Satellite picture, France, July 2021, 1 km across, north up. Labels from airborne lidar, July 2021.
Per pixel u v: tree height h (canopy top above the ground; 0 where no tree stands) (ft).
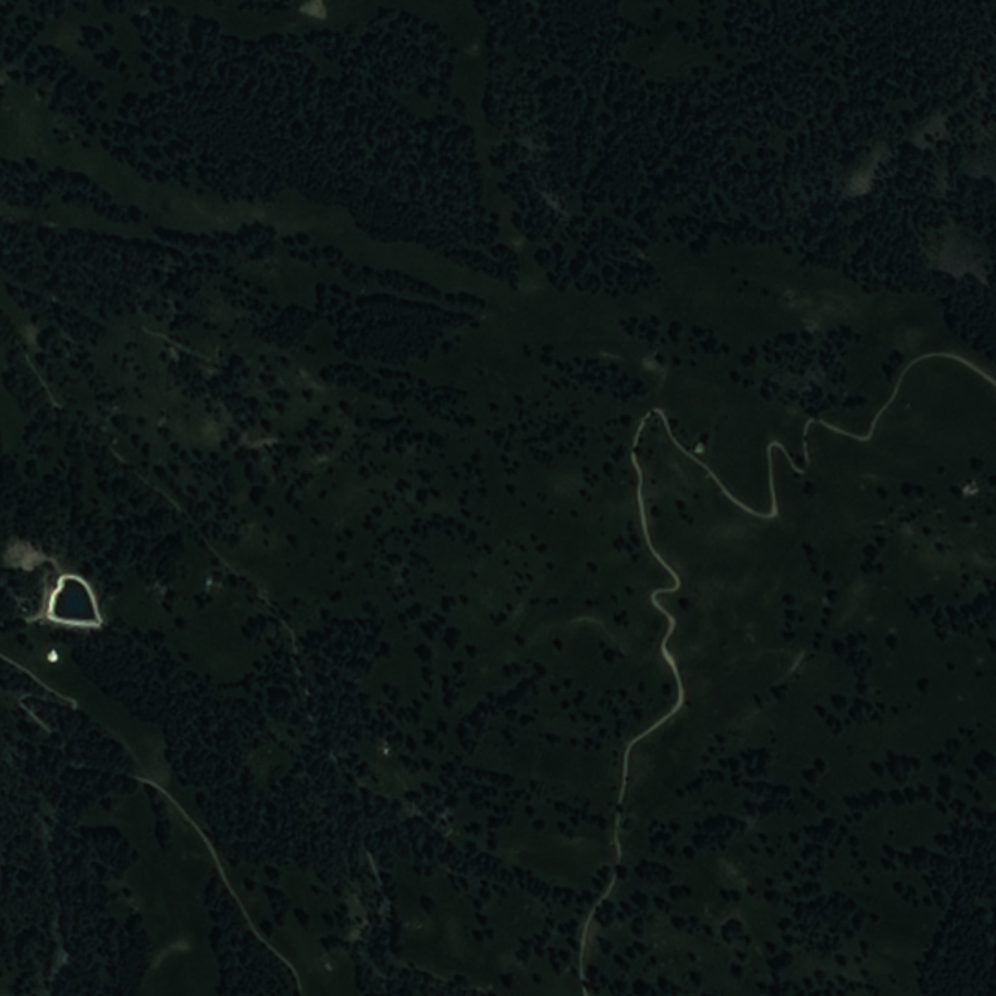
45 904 64
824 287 0
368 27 31
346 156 71
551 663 0
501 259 38
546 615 0
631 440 0
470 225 62
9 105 0
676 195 73
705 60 0
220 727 43
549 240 56
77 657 29
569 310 0
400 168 82
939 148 39
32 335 0
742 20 45
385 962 71
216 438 0
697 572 0
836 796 0
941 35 43
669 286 0
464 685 34
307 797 60
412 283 48
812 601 0
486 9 58
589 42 52
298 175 58
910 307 0
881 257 69
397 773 0
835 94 54
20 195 73
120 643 72
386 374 47
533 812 48
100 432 19
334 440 27
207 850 0
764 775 57
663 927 0
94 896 63
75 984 79
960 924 55
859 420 0
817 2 45
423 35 21
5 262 66
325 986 0
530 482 0
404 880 0
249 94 64
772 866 0
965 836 53
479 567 0
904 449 0
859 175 0
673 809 0
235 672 0
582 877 0
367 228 52
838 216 55
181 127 62
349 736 41
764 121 38
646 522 0
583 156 63
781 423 0
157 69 59
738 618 0
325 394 0
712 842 57
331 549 0
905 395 0
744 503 0
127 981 51
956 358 0
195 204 0
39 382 48
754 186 59
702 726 0
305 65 59
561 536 0
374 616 50
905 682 0
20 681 55
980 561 0
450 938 0
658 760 0
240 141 53
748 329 0
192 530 41
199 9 0
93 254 52
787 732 0
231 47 50
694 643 0
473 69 0
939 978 49
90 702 0
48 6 64
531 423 32
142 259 57
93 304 39
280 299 0
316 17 0
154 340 0
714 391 0
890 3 53
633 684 0
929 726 0
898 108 0
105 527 19
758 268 0
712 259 0
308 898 0
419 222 48
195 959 0
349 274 59
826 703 0
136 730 0
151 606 0
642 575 0
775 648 0
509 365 0
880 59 52
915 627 0
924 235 39
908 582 0
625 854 0
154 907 0
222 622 0
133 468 31
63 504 54
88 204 69
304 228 0
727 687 0
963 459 0
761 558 0
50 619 0
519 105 20
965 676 0
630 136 36
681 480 0
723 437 0
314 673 0
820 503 0
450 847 30
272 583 0
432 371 0
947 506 0
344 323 66
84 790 52
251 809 60
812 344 55
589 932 0
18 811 63
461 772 26
